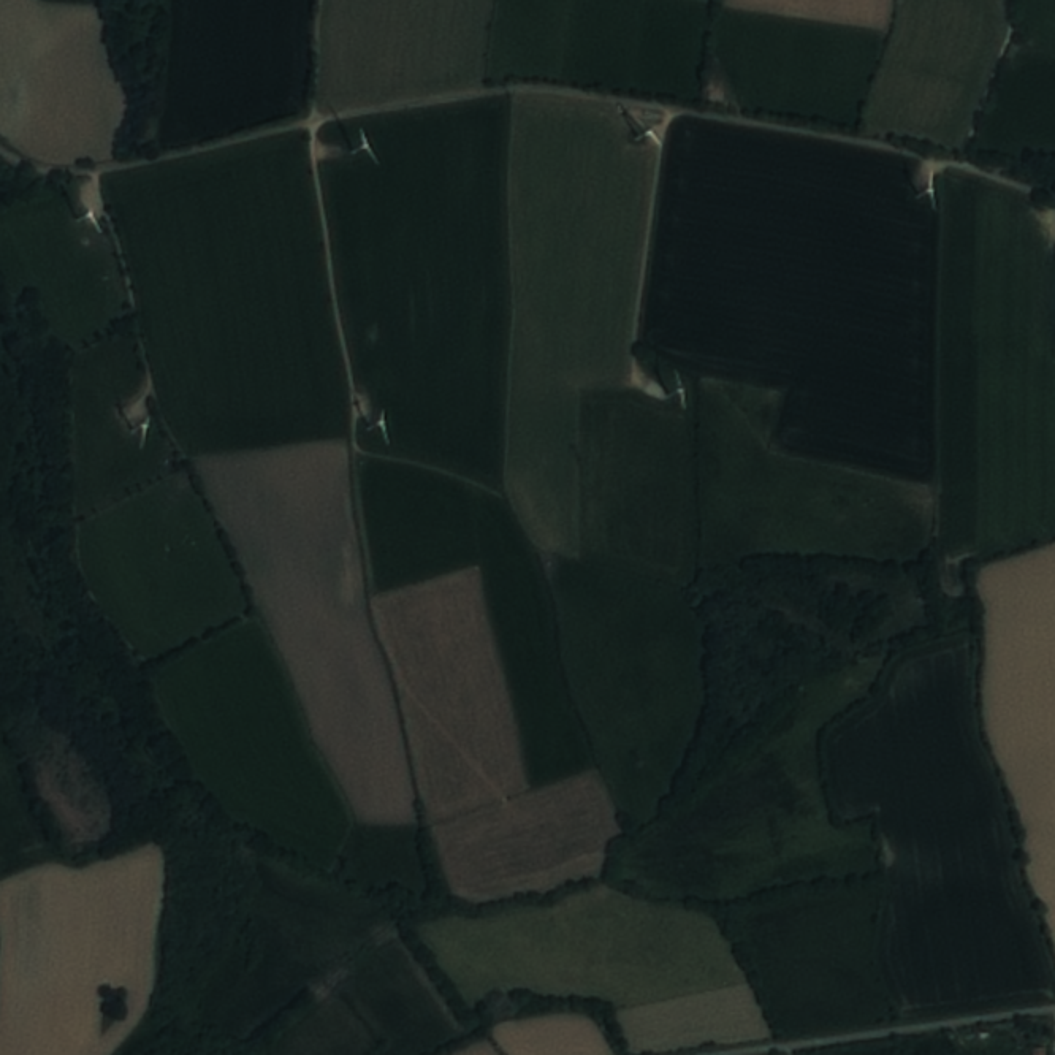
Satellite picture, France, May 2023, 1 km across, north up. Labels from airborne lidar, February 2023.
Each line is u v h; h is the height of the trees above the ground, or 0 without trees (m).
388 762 0
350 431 0
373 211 0
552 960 0
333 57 0
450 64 0
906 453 0
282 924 0
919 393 0
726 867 0
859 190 0
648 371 0
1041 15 0
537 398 0
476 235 0
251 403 0
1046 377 0
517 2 0
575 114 0
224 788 0
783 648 7
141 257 0
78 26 0
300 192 0
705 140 0
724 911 8
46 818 17
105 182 0
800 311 0
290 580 0
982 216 0
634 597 0
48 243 0
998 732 0
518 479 0
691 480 0
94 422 0
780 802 0
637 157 0
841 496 0
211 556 0
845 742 0
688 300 0
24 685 20
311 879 9
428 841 11
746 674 10
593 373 0
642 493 0
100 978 0
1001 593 0
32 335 18
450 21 0
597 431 0
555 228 0
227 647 0
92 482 0
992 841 0
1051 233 0
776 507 0
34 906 0
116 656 18
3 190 16
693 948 0
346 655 0
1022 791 0
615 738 0
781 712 14
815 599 10
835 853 0
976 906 0
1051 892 0
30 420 8
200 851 8
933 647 0
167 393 0
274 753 0
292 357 0
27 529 19
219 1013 0
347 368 0
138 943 0
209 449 0
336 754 0
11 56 0
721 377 0
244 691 0
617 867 13
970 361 0
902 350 0
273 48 0
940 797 0
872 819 7
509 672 0
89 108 0
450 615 0
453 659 0
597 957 0
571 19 0
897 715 0
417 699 0
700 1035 0
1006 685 0
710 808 0
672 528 0
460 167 0
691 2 0
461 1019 12
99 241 0
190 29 0
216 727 0
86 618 19
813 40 0
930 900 0
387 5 0
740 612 13
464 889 0
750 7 0
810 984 0
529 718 0
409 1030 0
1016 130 0
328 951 0
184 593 0
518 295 0
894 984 0
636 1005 0
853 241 0
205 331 0
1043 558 0
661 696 0
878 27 0
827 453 0
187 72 0
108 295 0
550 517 0
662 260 0
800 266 0
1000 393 0
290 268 0
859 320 0
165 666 11
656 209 0
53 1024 0
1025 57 0
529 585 0
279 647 0
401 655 0
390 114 0
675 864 0
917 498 0
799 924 0
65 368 11
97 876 0
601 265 0
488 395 0
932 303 0
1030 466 0
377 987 0
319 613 0
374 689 0
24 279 0
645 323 0
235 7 0
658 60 0
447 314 0
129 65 21
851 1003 0
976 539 0
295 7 0
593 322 0
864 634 11
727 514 0
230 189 0
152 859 0
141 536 0
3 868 0
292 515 0
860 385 0
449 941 0
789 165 0
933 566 13
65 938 0
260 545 0
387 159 0
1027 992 0
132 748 14
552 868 0
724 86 0
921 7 0
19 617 0
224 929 8
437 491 0
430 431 0
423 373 0
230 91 0
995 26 0
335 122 0
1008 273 0
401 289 0
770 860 0
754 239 0
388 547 0
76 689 9
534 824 0
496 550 0
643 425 0
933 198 0
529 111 0
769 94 0
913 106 0
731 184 0
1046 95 0
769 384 0
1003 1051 0
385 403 0
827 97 0
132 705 21
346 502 0
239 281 0
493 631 0
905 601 0
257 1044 13
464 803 0
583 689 0
